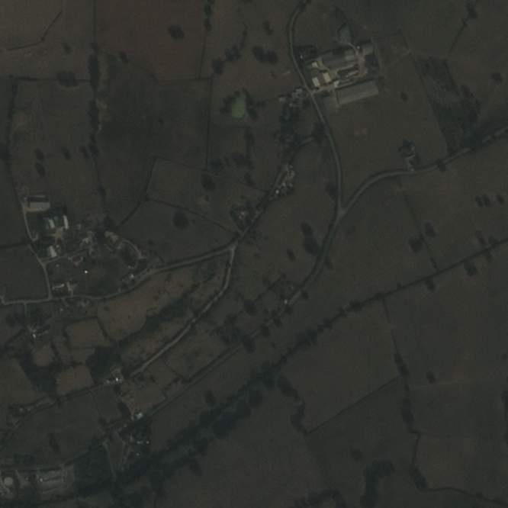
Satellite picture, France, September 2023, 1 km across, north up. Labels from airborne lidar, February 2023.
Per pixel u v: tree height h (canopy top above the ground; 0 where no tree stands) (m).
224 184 0
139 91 0
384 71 0
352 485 0
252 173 0
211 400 14
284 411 0
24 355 9
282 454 0
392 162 0
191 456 10
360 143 0
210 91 0
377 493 13
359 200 0
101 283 0
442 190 0
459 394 0
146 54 0
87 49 0
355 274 0
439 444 0
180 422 0
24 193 0
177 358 0
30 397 0
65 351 0
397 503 0
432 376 11
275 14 0
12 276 0
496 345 0
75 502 0
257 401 20
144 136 0
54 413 0
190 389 0
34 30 0
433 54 0
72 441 0
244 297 0
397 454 0
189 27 0
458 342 0
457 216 0
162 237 0
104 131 0
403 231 0
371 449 0
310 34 0
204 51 0
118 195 0
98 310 0
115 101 0
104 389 0
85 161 0
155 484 18
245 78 0
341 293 0
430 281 11
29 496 0
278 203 0
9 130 10
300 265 0
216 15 0
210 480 0
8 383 0
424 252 0
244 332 0
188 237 0
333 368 0
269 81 0
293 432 0
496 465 0
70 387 0
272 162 0
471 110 0
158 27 0
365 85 0
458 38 0
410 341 0
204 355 0
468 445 0
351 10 0
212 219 0
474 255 0
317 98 0
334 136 0
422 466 0
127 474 24
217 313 0
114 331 0
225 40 0
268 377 15
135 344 0
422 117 0
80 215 0
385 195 0
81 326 0
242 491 0
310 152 0
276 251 0
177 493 0
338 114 0
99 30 0
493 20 0
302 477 0
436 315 0
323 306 0
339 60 0
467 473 0
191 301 0
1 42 0
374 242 0
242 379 0
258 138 0
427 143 0
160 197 0
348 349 0
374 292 0
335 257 0
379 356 0
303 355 0
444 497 0
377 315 0
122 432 11
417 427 0
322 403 0
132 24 0
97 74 18
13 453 0
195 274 0
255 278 0
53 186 0
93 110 18
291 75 0
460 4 0
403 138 0
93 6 0
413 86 0
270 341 0
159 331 0
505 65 0
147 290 0
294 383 0
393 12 0
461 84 0
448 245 0
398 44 0
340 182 0
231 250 0
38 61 0
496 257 0
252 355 0
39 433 0
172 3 0
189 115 0
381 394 0
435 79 0
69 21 0
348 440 0
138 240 0
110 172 0
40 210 0
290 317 0
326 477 0
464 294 0
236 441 0
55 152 0
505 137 0
